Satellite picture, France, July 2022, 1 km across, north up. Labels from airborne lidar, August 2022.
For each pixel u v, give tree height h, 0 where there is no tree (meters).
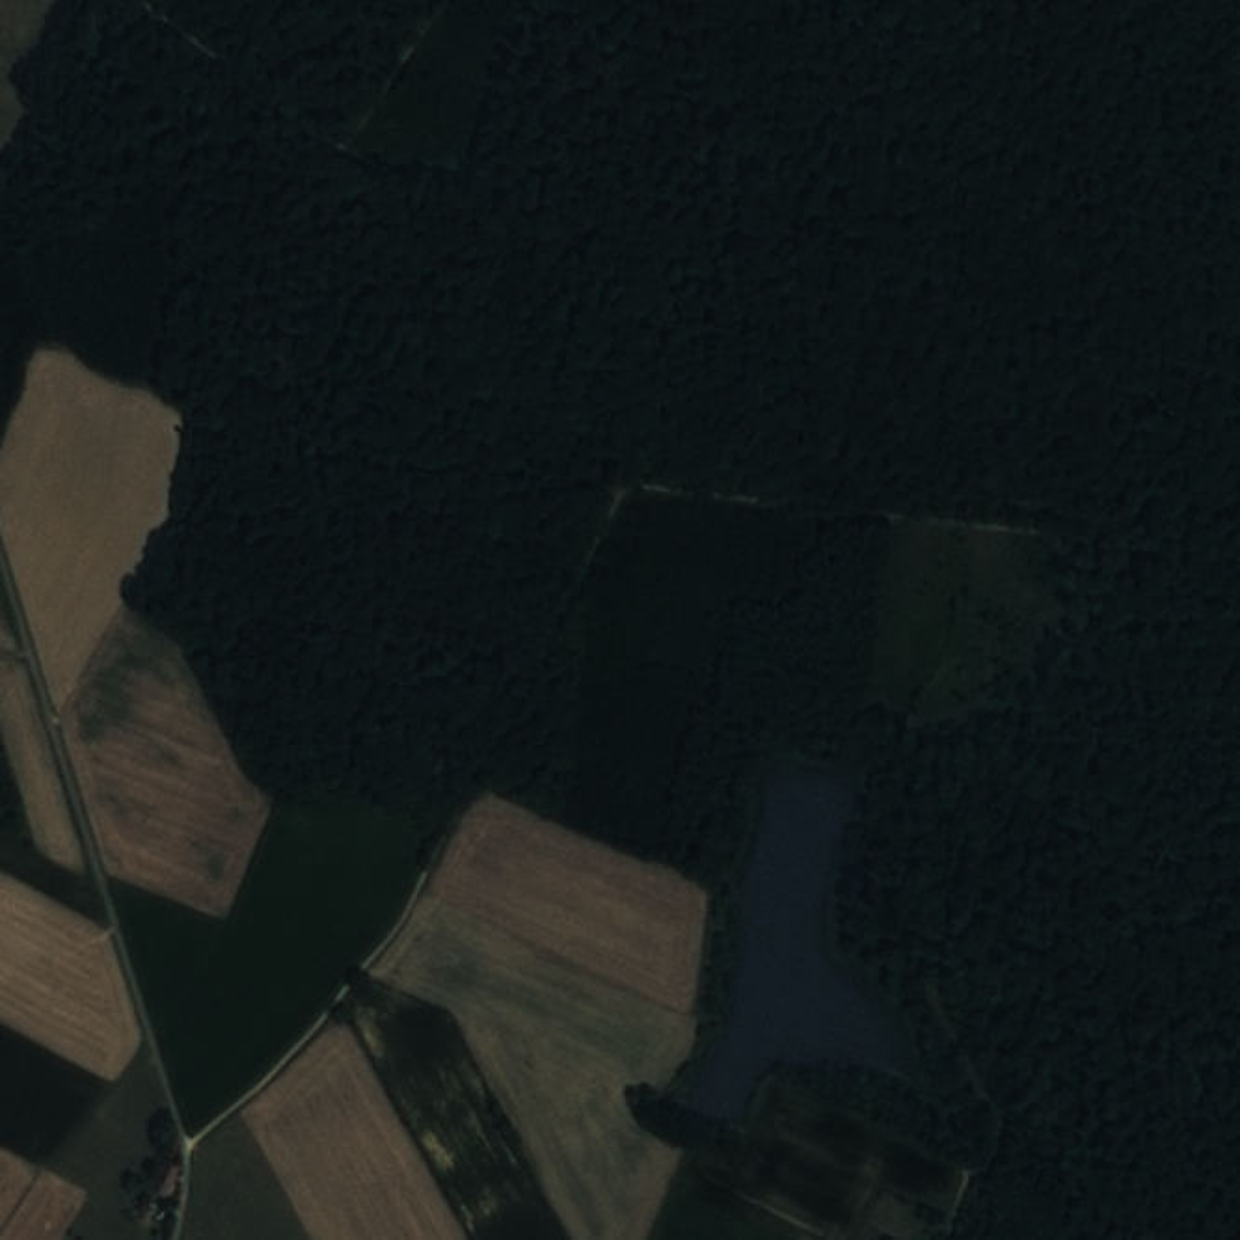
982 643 0
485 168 21
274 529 23
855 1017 0
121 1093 0
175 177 23
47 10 0
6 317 9
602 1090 0
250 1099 0
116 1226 0
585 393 19
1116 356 24
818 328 23
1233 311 25
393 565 32
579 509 24
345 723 24
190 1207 0
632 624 6
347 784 19
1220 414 20
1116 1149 29
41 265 11
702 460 27
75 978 0
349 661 26
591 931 0
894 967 17
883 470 18
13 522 0
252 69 24
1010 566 0
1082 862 28
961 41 24
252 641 24
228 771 0
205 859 0
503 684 25
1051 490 25
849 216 28
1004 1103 14
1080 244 24
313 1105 0
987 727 23
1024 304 24
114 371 10
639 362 21
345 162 25
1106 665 27
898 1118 16
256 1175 0
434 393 24
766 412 27
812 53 28
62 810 0
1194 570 23
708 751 18
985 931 28
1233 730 18
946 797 21
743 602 17
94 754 0
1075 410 25
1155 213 24
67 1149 0
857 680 19
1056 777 26
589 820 9
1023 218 24
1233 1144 26
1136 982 28
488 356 20
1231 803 30
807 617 21
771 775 0
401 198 21
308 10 26
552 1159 0
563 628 23
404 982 0
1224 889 26
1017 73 24
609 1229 0
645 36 27
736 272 23
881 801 13
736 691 20
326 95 28
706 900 0
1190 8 21
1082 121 23
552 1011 0
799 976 0
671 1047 0
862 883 21
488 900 0
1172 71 23
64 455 0
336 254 24
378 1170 0
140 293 12
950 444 18
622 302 26
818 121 15
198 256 15
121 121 29
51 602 0
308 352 28
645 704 7
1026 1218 16
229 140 7
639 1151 0
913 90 26
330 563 20
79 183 19
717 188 25
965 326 21
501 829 0
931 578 0
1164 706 25
